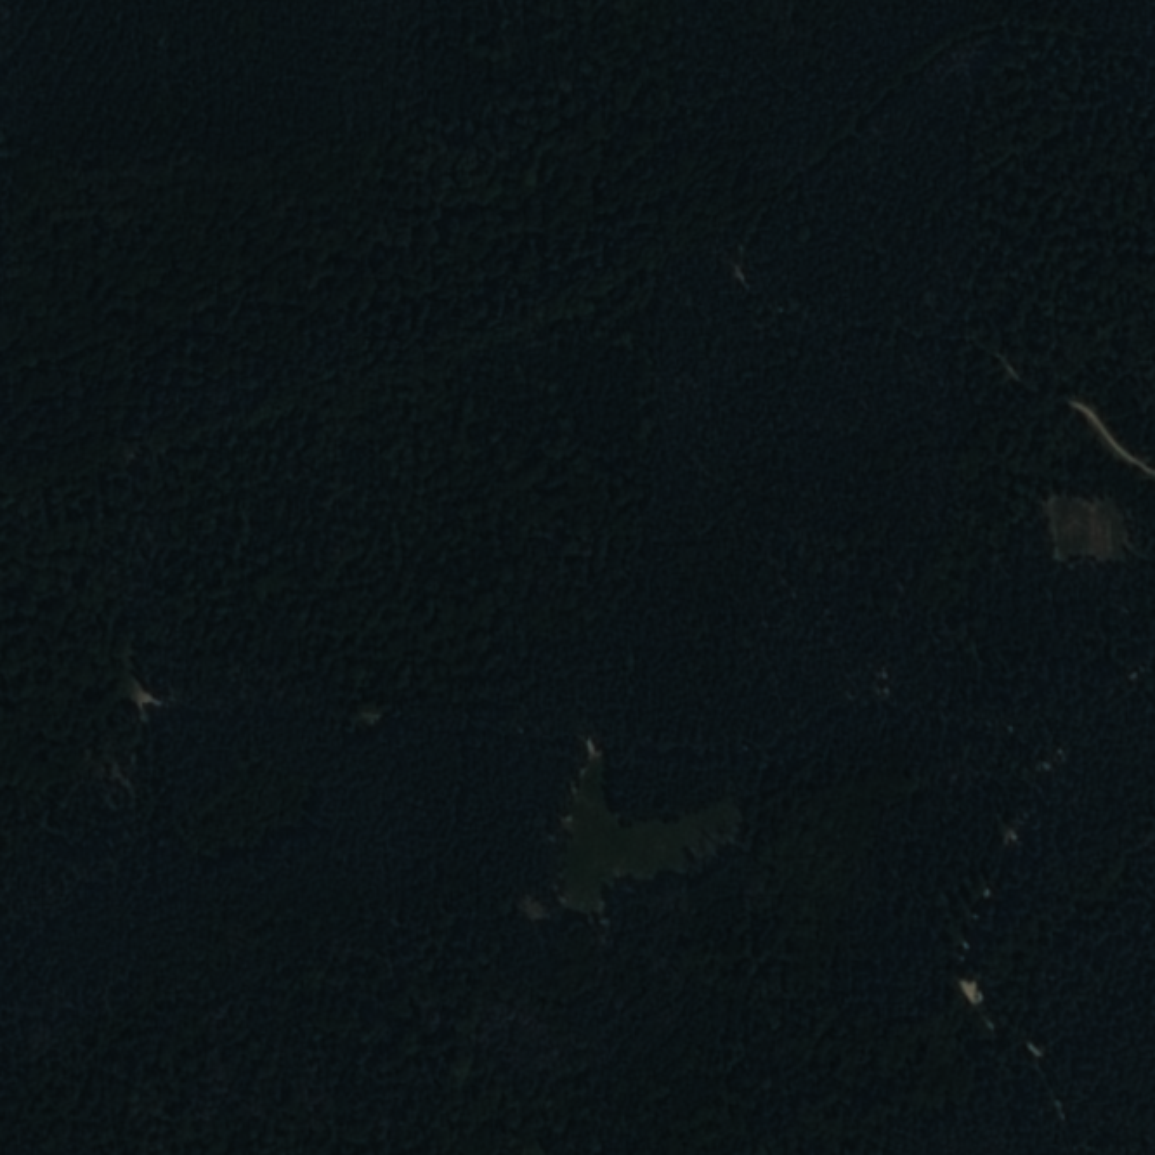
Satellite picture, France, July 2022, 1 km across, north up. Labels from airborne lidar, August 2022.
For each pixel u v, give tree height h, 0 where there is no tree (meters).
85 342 39
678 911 16
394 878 23
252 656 22
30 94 21
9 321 28
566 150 29
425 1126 20
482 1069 18
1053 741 35
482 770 26
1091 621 23
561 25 16
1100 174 25
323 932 18
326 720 26
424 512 16
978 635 23
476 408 20
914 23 23
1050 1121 33
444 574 15
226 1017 25
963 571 14
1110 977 28
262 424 13
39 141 20
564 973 22
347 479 23
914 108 21
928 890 26
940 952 32
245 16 14
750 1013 19
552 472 22
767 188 20
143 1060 11
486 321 23
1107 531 0
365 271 35
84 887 29
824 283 20
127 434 26
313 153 28
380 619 22
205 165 28
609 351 16
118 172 30
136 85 19
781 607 28
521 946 29
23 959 23
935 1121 34
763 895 17
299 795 7
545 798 26
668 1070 19
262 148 23
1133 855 26
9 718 21
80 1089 11
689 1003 18
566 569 24
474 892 22
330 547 20
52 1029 23
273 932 18
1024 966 21
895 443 18
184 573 20
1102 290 22
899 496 19
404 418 18
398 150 23
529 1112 21
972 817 25
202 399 36
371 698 13
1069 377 19
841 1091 27
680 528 21
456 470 23
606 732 28
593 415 19
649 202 31
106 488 22
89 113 18
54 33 21
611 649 29
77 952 19
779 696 26
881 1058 24
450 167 14
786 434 21
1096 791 35
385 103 20
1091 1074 32
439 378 19
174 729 24
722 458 19
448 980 22
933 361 22
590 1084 23
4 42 21
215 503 13
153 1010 10
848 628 27
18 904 29
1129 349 23
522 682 30
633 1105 23
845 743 25
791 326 20
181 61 17
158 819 19
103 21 16
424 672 22
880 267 22
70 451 28
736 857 15
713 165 32
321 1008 20
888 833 23
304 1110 20
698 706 18
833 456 20
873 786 23
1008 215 24
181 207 27
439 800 29
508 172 29
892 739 22
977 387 23
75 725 24
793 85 21
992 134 26
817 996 21
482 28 16
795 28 19
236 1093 18
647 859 0
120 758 29
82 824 16
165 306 29
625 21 21
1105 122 26
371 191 28
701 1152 17
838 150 23
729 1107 8
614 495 21
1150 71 25
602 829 0
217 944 15
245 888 21
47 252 27
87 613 21
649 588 18
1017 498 19
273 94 20
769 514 18
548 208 32
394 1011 19
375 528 21
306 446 17
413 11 21
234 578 21
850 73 23
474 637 26
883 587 20
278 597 14
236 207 24
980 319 21
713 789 30
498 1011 26
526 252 30
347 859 18
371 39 18
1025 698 41
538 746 22
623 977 21
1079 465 20
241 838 9
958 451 24
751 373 14
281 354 28
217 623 14
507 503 22
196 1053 19
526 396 9
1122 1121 32
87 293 29
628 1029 17
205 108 17
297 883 21
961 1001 22
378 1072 28
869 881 22
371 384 15
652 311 19
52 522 24
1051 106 31
